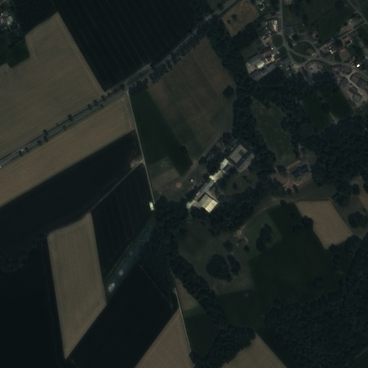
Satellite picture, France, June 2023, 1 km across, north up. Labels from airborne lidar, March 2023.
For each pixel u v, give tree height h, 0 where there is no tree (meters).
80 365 0
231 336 21
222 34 27
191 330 0
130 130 0
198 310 0
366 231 0
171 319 0
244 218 18
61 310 0
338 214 0
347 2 0
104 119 0
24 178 0
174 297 0
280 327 28
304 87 23
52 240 0
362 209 0
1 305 0
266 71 0
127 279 0
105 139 0
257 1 0
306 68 0
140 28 0
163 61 0
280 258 0
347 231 0
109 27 0
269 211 0
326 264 0
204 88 0
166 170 0
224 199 13
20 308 0
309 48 0
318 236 0
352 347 27
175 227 26
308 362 20
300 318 27
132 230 0
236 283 0
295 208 0
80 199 0
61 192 0
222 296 0
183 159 0
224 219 20
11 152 0
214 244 0
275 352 0
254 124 20
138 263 0
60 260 0
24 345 0
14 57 0
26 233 0
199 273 0
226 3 0
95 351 0
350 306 27
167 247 25
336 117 0
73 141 0
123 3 0
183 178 0
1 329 0
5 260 9
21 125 0
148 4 0
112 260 0
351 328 30
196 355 18
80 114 0
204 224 12
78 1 0
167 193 0
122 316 0
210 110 0
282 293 0
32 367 0
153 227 0
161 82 0
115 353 0
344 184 24
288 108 30
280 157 0
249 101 27
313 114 0
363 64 7
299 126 30
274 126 0
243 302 0
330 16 0
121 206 0
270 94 31
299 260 0
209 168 13
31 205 0
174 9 0
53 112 0
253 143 15
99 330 0
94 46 0
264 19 0
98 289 0
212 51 0
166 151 0
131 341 0
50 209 0
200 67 0
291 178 0
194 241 0
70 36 0
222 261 32
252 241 0
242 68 23
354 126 30
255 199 24
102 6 0
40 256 0
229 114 0
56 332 0
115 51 0
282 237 0
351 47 0
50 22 0
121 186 0
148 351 0
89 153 0
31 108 0
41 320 0
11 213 0
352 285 25
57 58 0
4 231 0
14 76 0
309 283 0
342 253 0
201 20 18
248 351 0
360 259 27
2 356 0
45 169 0
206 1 10
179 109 0
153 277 0
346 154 25
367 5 0
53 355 0
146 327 0
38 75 0
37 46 0
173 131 0
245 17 0
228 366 0
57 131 0
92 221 0
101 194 0
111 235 0
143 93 0
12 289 0
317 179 16
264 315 0
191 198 17
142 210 0
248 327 0
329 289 0
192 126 0
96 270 0
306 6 0
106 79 0
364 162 29
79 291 0
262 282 0
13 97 0
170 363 0
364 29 0
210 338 0
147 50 0
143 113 0
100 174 0
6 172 0
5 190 0
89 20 0
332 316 33
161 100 0
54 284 0
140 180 0
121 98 0
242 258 0
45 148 0
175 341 0
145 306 0
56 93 0
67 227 0
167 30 0
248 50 0
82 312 0
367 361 0
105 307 0
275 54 0
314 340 32
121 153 0
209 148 0
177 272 27
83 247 0
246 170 0
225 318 16
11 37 0
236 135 21
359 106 0
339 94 0
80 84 0
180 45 0
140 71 0
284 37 0
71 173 0
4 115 0
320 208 0
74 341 0
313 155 0
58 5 0
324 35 0
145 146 0
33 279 0
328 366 31
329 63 0
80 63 0
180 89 0
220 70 0
